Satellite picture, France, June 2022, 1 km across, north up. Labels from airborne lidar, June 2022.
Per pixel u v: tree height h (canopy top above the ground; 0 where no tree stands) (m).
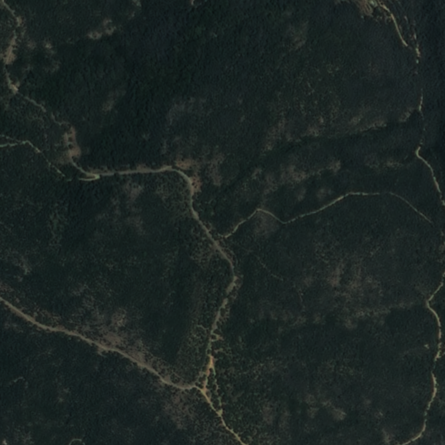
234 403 6
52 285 6
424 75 16
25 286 6
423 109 7
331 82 8
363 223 8
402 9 18
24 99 7
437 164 8
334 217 11
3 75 10
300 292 7
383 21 9
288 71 6
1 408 7
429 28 14
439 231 8
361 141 9
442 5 10
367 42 9
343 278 6
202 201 9
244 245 8
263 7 10
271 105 6
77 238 6
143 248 6
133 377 6
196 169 0
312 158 6
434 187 8
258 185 6
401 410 9
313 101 9
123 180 6
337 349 8
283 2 13
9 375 9
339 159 9
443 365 10
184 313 6
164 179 10
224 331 8
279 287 6
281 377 9
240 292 8
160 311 6
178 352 7
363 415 6
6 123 8
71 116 8
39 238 7
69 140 7
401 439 6
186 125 6
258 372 6
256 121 9
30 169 11
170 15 7
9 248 6
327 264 6
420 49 9
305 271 6
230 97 6
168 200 9
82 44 11
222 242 8
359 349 8
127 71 5
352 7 6
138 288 6
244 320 10
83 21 9
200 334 9
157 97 14
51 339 8
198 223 11
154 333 6
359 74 9
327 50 7
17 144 6
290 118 6
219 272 8
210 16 13
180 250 7
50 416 9
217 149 5
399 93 10
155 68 17
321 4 10
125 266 7
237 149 6
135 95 11
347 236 8
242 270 8
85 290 6
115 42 14
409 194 6
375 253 7
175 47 13
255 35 7
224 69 11
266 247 8
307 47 8
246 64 9
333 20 10
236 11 13
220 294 9
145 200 9
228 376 8
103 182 7
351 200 8
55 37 8
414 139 7
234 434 6
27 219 9
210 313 8
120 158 12
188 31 14
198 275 7
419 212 8
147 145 12
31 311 7
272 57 7
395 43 10
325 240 7
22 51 6
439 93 12
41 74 9
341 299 10
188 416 7
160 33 9
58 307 11
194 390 8
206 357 8
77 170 10
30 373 6
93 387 7
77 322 7
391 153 9
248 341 6
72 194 13
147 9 10
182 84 14
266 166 10
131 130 9
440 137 7
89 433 9
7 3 9
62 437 6
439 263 7
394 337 7
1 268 7
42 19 6
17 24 11
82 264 8
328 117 7
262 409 5
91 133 7
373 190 6
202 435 5
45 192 7
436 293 6
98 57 9
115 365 9
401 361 8
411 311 9
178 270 7
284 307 7
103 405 5
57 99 12
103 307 7
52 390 7
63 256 7
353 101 8
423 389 8
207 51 7
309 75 8
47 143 9
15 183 12
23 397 8
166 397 5
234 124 8
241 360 6
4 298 10
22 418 6
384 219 7
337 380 8
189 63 15
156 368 9
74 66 9
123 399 9
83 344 13
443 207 7
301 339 7
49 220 9
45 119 10
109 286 7
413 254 12
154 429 9
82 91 11
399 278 8
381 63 7
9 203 6
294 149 8
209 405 8
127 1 8
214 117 6
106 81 12
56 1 10
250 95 9
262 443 7
